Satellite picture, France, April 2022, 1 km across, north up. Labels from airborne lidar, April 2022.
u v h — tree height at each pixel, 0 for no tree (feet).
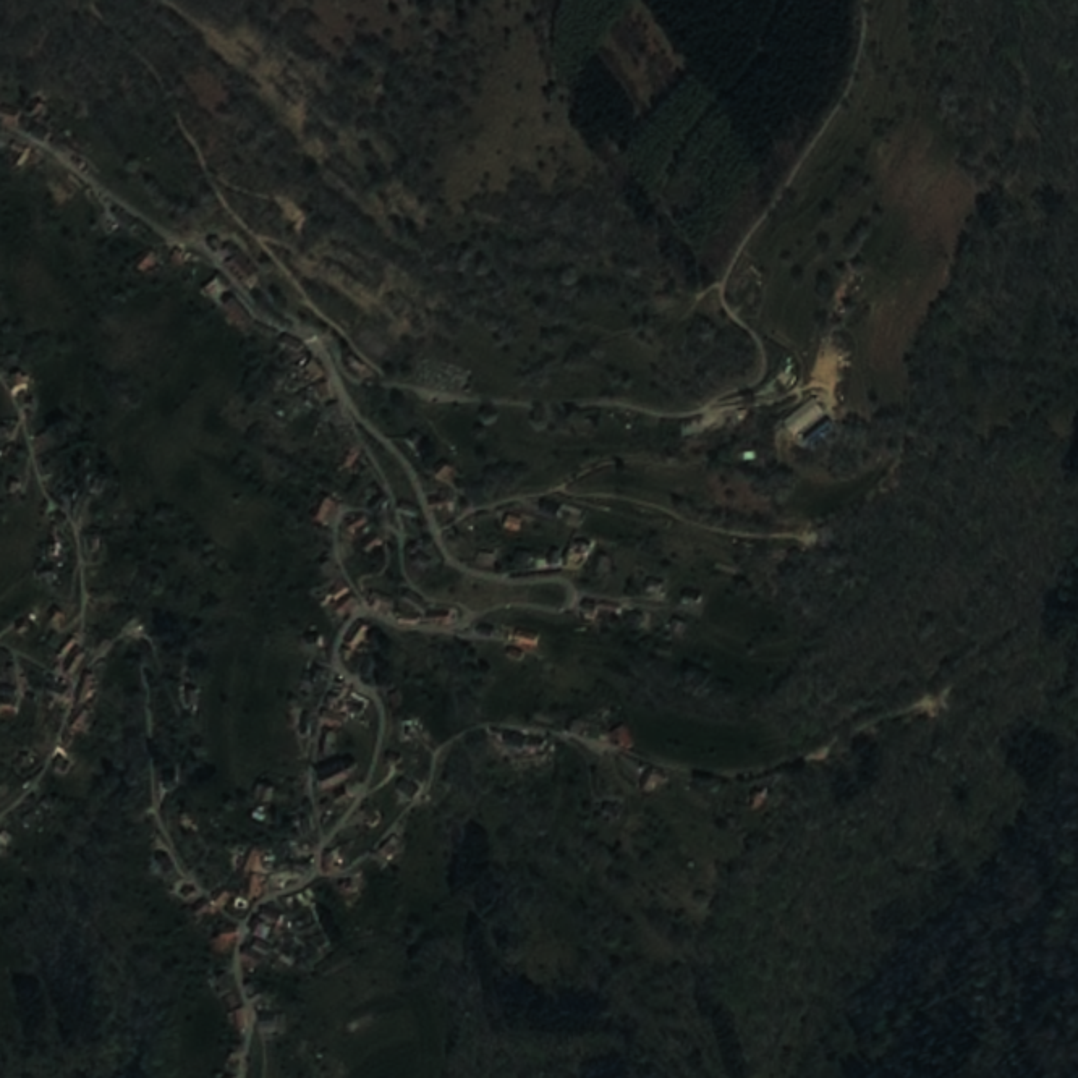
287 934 24
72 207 0
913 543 84
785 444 23
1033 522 66
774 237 0
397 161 30
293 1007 39
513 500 0
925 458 44
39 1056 71
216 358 0
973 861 93
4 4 81
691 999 30
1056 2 92
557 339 48
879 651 50
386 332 61
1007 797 52
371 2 0
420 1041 0
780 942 98
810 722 56
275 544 0
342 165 67
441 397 0
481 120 0
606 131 54
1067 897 45
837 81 51
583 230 46
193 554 29
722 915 53
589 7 66
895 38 0
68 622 0
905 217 0
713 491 0
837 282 47
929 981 92
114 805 33
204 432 0
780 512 47
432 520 0
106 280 22
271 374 22
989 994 55
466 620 0
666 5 75
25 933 65
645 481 0
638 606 0
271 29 57
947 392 90
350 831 0
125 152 48
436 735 0
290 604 0
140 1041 59
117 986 94
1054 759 118
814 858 72
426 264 61
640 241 27
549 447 0
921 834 69
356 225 78
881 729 32
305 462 25
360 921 0
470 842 64
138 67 60
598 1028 94
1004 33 35
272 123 60
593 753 0
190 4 69
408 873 0
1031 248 67
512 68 0
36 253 0
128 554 28
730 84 71
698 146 73
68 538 29
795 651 0
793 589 70
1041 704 92
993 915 90
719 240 40
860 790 65
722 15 86
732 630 0
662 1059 74
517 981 47
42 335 27
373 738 0
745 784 28
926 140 0
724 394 0
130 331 0
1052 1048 46
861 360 0
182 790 0
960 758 74
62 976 72
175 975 47
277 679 0
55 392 0
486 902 75
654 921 56
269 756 0
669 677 47
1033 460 57
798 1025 44
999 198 70
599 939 66
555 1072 69
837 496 0
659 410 0
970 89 38
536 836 49
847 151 0
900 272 0
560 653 0
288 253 21
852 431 59
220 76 60
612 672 20
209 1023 0
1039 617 73
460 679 55
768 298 0
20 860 30
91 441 39
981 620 88
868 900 90
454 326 70
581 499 0
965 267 67
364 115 19
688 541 0
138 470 0
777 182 54
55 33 25
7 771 26
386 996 0
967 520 44
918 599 51
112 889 24
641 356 0
